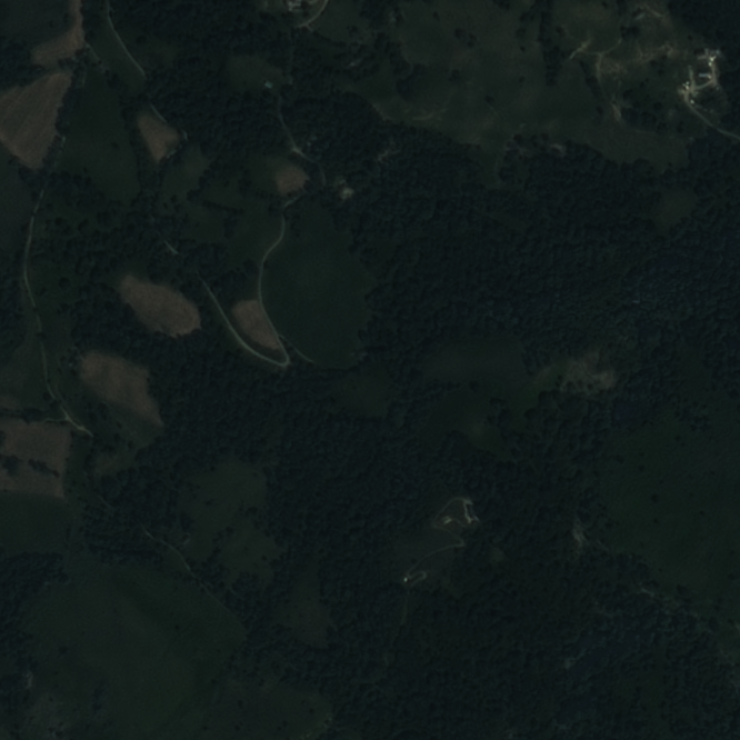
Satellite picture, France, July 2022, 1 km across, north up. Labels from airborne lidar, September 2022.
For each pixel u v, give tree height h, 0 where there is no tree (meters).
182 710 0
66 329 0
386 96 0
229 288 27
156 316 0
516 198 8
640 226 27
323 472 22
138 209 14
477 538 9
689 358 0
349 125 16
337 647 21
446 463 14
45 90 0
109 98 0
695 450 0
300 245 0
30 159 0
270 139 27
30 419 17
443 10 0
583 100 0
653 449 0
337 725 12
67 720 0
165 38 7
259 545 0
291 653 15
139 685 0
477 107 0
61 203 0
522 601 18
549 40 21
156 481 20
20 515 0
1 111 0
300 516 14
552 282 28
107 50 0
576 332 22
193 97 20
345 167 10
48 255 9
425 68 9
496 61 0
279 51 24
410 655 12
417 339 18
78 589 0
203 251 22
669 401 13
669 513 0
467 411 0
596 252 21
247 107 15
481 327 25
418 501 17
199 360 25
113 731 0
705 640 14
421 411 14
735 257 41
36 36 0
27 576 12
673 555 0
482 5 0
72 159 0
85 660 0
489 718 10
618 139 0
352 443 23
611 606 10
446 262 21
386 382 0
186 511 0
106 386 0
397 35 0
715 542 0
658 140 0
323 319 0
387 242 0
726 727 8
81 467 0
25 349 0
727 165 22
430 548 0
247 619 9
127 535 6
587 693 10
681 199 0
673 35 0
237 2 19
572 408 27
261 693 0
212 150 22
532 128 0
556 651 18
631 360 17
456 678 20
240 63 0
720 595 0
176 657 0
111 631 0
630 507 0
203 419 24
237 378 12
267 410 17
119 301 23
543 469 8
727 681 16
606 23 0
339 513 30
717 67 0
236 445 16
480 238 22
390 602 17
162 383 13
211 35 20
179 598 0
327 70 17
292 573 8
